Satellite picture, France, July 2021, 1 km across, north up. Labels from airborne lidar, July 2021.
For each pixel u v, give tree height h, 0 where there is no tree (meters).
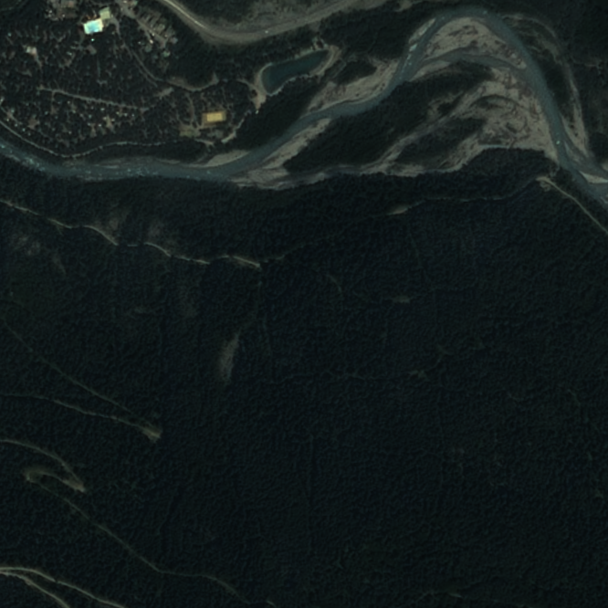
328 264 24
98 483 22
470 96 0
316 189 7
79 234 20
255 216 14
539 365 19
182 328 13
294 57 14
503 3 6
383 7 9
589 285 15
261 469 17
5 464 18
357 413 16
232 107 11
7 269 18
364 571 20
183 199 11
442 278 16
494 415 25
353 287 15
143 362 23
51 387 29
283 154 0
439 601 9
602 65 7
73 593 9
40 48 8
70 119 6
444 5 10
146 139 9
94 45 7
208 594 16
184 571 26
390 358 19
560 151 0
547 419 20
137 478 23
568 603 20
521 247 23
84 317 32
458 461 21
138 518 26
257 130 12
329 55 0
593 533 28
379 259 23
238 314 19
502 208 20
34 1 10
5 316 8
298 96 8
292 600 20
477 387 18
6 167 12
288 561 13
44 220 10
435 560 15
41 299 15
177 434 24
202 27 0
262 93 0
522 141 0
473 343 16
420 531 23
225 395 20
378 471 26
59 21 9
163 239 6
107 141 7
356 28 15
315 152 5
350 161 8
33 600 16
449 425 18
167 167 0
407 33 7
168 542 22
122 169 0
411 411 16
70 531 9
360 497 25
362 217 15
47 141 9
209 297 18
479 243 7
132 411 20
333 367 10
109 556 22
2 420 22
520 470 23
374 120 6
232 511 26
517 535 16
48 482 17
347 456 21
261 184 0
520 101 0
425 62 0
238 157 0
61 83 9
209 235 13
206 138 6
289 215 15
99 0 7
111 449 25
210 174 0
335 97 0
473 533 25
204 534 26
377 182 10
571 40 13
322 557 19
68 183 9
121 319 16
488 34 0
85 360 27
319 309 14
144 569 10
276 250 30
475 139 0
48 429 22
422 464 15
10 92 7
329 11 0
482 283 11
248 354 16
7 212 8
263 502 24
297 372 19
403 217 7
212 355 18
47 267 20
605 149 12
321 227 19
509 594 27
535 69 0
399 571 15
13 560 17
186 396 20
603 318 19
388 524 22
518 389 25
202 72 6
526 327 22
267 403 24
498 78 0
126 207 13
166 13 13
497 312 22
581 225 14
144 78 7
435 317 8
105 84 6
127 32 10
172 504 10
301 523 21
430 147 6
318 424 11
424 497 24
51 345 25
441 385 7
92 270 18
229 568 24
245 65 10
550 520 24
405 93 10
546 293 24
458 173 8
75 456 9
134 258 20
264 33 0
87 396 18
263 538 16
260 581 20
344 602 18
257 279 13
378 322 20
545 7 16
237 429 23
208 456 19
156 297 19
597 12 23
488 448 27
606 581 19
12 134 6
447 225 17
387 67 0
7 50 8
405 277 16
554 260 16
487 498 23
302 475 31
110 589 20
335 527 19
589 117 7
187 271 10
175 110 8
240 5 7
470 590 17
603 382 26
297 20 0
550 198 12
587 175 0
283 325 20
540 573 23
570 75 0
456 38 0
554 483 27
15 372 13
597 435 14
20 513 18
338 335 19
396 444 20
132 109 8
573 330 27
